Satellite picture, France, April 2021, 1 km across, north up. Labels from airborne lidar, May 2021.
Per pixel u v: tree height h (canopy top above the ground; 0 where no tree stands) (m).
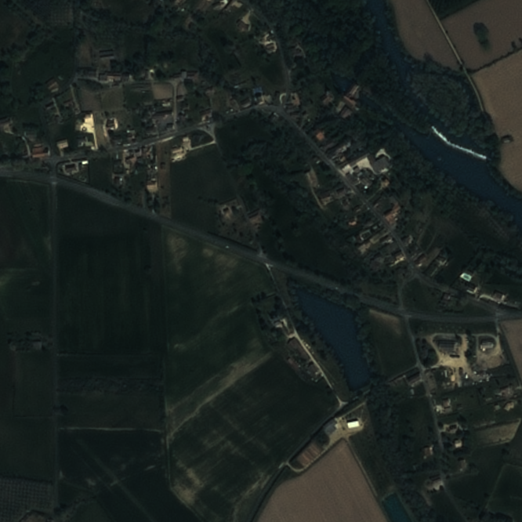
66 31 0
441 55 0
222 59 0
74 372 0
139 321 0
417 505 10
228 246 0
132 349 0
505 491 0
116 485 0
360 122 18
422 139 0
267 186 0
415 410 0
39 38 18
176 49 0
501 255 12
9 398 0
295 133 17
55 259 0
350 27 22
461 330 0
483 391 9
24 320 0
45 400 0
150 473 0
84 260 0
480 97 0
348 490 0
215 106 0
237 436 0
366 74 32
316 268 0
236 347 0
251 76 0
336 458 0
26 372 0
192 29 10
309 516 0
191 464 0
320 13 36
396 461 14
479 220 0
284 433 0
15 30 0
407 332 0
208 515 0
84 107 0
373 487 0
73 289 0
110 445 0
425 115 32
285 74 0
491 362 0
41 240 0
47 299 0
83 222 0
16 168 18
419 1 0
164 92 0
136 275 0
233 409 0
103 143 0
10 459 0
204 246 0
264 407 0
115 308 0
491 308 0
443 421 0
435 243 0
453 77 34
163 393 8
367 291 0
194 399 0
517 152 0
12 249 0
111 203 0
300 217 25
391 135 22
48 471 0
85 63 0
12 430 0
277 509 0
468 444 18
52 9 13
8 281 0
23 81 0
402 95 34
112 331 0
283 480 0
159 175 0
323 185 0
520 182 0
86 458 0
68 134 0
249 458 0
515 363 0
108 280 0
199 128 0
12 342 8
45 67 0
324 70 17
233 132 8
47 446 0
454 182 13
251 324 0
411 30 0
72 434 0
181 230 0
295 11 16
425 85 39
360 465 0
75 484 0
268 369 0
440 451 17
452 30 0
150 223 0
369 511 0
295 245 0
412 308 0
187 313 0
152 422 0
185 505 0
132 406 0
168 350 0
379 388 22
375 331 0
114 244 0
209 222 0
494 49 0
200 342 0
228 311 0
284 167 0
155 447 0
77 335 0
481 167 0
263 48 10
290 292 8
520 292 0
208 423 0
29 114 0
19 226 0
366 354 18
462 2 22
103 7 0
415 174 25
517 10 0
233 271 0
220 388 0
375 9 0
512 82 0
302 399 0
